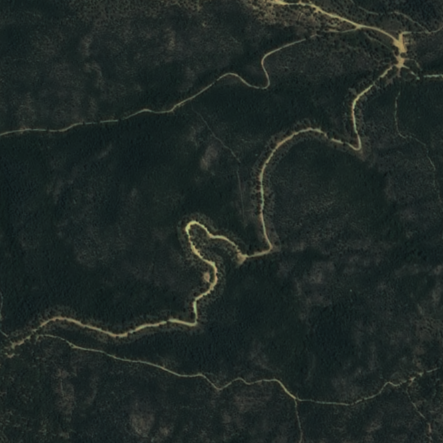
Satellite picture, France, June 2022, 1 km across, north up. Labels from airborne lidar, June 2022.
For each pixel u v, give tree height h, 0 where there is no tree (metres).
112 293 9
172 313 9
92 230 0
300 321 10
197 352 9
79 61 6
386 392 7
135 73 7
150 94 9
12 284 6
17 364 10
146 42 7
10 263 7
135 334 9
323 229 6
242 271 6
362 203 9
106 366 11
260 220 0
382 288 0
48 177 10
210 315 7
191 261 6
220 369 6
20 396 11
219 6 7
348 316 7
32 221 9
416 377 7
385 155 6
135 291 9
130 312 7
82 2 5
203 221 7
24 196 8
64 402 6
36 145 8
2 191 8
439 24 9
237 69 10
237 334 9
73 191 7
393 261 6
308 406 6
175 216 8
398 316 7
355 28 8
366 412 7
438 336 6
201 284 8
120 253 7
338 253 6
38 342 9
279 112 6
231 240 8
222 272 9
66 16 7
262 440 0
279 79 6
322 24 8
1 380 8
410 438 8
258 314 7
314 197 6
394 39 0
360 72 6
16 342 6
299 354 9
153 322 9
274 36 7
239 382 6
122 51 7
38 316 7
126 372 6
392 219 10
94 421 6
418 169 8
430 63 7
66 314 7
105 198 7
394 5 9
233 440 7
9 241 6
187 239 7
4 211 12
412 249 11
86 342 6
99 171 6
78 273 7
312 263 6
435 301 0
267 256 10
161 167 7
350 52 9
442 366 6
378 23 7
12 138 7
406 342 0
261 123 6
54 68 6
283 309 7
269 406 8
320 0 12
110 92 6
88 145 9
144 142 10
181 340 8
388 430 9
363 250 7
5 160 11
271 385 7
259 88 6
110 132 6
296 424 7
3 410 6
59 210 8
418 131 6
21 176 12
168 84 7
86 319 8
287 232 7
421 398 6
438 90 6
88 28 7
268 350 7
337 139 10
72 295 9
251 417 6
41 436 6
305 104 8
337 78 8
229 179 6
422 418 8
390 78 7
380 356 6
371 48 11
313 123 11
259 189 8
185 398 6
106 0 6
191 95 6
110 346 5
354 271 0
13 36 12
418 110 8
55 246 9
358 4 9
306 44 6
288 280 6
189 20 7
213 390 8
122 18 7
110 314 10
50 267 11
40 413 12
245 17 9
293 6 7
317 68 6
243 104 6
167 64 7
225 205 7
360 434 9
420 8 14
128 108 7
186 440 7
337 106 6
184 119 11
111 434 7
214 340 7
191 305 6
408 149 6
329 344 8
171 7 6
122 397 8
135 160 7
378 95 10
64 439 16
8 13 7
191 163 7
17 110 8
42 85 9
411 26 10
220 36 7
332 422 6
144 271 6
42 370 12
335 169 7
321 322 9
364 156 0
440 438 6
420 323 0
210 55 7
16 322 6
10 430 12
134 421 0
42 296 7
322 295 7
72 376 6
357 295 10
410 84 9
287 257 6
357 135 9
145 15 8
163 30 9
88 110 7
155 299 7
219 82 7
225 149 7
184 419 7
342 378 0
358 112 9
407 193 7
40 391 14
